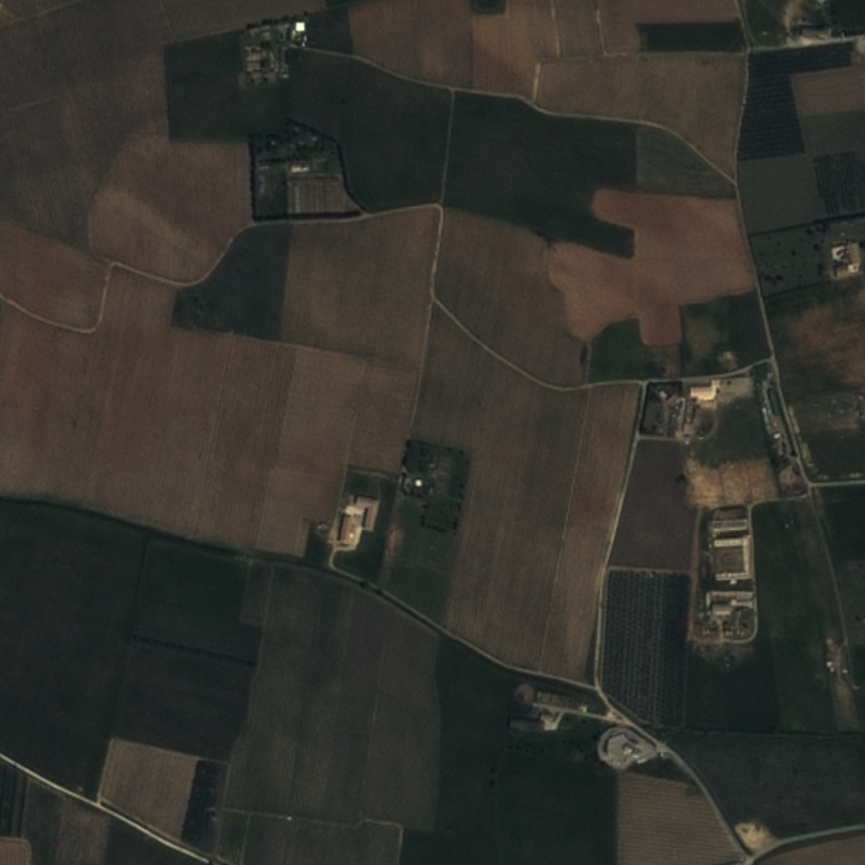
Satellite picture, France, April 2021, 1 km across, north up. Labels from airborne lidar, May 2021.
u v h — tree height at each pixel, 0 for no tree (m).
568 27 0
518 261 0
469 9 0
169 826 0
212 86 0
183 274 0
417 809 0
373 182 0
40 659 0
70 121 0
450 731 0
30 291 0
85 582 0
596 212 0
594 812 0
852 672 0
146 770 0
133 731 0
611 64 0
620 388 0
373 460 0
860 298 0
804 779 0
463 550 0
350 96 0
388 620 0
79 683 0
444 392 0
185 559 0
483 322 0
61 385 0
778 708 0
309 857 0
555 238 0
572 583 0
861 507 0
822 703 0
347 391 0
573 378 0
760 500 0
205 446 0
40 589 0
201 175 0
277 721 0
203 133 0
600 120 0
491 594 0
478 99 0
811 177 0
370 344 0
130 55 0
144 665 0
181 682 0
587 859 0
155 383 0
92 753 0
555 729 0
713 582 0
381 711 0
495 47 0
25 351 0
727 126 0
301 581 0
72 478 0
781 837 0
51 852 0
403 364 0
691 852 0
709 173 0
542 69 0
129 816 0
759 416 0
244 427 0
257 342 0
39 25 0
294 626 0
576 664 0
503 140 0
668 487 0
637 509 0
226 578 0
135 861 0
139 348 0
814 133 0
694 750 0
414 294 0
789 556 0
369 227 0
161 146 0
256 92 0
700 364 0
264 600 0
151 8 0
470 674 0
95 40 0
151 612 0
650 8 0
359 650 0
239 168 0
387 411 0
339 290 0
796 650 0
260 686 0
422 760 0
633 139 0
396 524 0
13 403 0
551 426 0
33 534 0
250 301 0
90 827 0
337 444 0
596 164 0
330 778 0
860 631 0
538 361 0
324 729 0
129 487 0
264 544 0
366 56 0
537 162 0
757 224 0
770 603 0
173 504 0
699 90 0
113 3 0
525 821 0
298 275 0
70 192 0
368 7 0
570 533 0
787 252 0
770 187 0
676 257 0
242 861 0
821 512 0
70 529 0
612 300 0
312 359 0
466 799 0
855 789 0
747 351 0
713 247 0
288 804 0
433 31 0
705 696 0
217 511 0
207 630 0
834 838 0
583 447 0
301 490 0
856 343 0
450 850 0
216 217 0
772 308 0
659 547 0
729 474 0
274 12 0
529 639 0
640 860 0
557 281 0
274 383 0
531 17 0
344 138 0
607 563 0
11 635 0
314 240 0
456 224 0
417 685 0
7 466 0
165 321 0
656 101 0
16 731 0
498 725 0
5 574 0
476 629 0
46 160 0
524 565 0
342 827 0
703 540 0
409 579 0
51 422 0
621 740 0
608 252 0
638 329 0
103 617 0
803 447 0
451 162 0
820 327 0
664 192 0
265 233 0
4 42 0
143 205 0
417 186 0
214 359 0
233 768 0
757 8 0
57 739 0
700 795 0
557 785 0
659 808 0
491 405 0
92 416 0
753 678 0
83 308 0
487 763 0
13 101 0
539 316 0
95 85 0
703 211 0
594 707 0
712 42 0
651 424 0
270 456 0
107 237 0
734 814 0
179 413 0
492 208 0
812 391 0
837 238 0
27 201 0
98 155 0
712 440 0
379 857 0
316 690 0
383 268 0
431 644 0
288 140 7
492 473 0
